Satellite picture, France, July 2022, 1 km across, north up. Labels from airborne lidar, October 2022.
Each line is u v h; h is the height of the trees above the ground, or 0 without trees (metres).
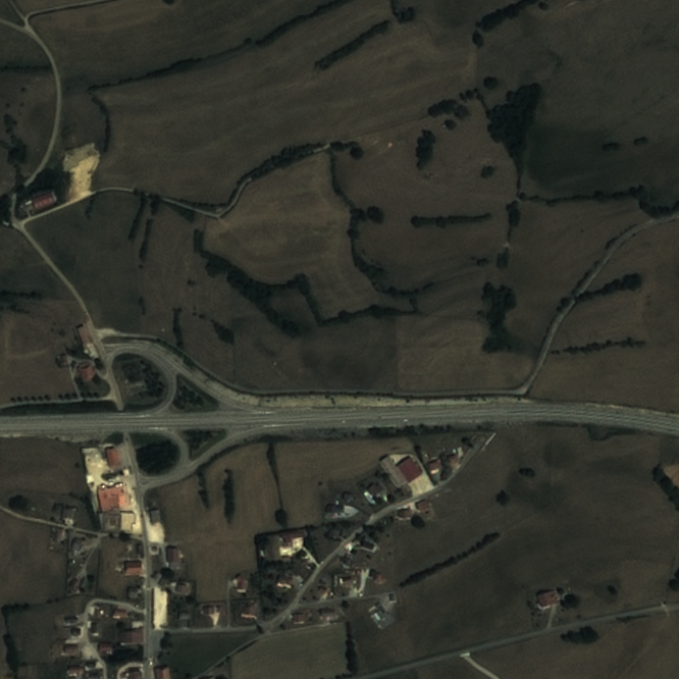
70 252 0
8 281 0
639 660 0
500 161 0
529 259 0
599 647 0
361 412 0
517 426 0
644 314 0
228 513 12
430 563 0
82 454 0
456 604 0
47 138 0
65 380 0
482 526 0
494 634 0
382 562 0
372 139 0
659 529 0
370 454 0
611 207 0
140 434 0
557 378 0
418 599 0
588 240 0
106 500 0
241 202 0
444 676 0
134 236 7
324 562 0
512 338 0
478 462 0
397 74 0
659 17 0
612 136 0
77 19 0
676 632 0
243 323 0
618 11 0
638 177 0
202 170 0
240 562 0
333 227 0
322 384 0
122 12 0
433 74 0
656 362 0
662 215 13
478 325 0
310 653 0
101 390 0
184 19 0
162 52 0
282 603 15
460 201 0
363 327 0
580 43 0
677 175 0
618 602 0
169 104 0
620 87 0
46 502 0
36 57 0
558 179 0
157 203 11
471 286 0
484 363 0
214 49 0
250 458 0
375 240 0
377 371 0
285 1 0
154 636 0
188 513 0
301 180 0
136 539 0
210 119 0
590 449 0
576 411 0
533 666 0
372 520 0
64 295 0
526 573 0
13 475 0
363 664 0
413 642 0
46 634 0
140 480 0
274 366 0
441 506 0
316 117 0
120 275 0
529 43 0
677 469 0
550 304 0
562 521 0
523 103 14
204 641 0
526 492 0
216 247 0
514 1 0
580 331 0
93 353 0
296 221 0
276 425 0
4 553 0
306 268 0
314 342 0
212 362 0
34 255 0
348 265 0
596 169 0
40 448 0
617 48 0
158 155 0
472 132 0
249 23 0
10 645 14
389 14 0
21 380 0
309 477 0
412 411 0
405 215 0
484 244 0
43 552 0
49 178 8
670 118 0
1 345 0
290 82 0
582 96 0
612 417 0
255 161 0
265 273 0
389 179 0
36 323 0
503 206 0
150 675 0
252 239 0
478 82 0
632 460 0
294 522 0
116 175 0
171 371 0
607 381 0
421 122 0
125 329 0
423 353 0
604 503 0
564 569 0
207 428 0
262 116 0
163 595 0
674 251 0
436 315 0
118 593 0
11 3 0
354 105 0
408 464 0
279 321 6
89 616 0
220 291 0
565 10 0
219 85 0
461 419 0
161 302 0
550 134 0
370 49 0
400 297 7
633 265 0
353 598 0
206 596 0
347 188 0
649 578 0
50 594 0
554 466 0
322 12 8
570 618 0
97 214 0
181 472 0
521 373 0
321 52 0
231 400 0
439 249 0
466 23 0
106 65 0
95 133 0
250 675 0
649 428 0
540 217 0
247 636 0
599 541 0
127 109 0
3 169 0
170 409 0
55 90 0
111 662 16
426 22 0
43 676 0
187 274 0
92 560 0
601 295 8
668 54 0
